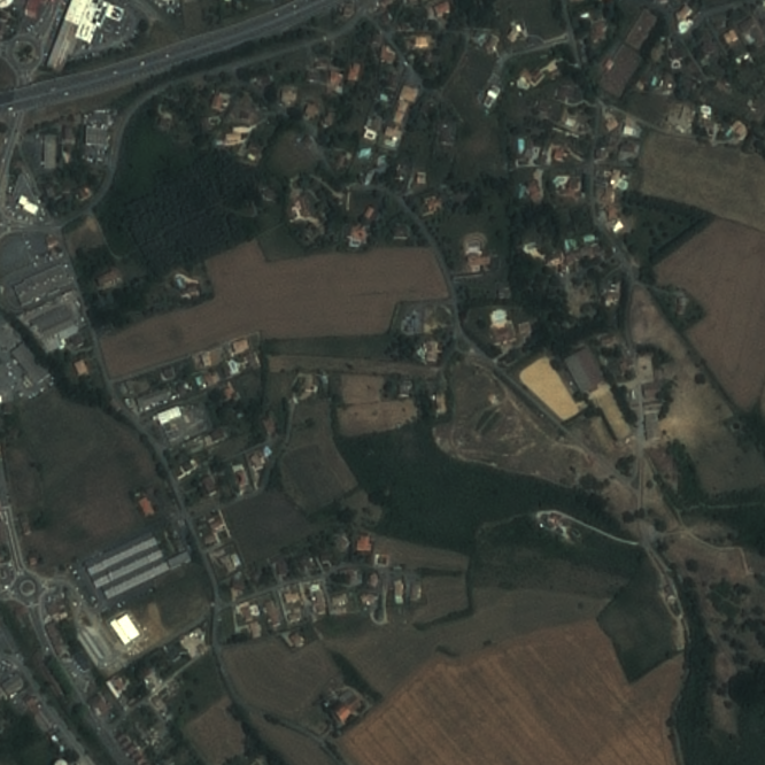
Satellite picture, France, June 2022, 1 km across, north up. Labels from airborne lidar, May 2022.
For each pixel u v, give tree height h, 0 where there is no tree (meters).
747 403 0
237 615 0
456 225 0
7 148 0
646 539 0
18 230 0
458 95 0
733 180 0
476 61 0
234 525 0
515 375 0
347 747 0
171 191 14
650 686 0
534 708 0
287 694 0
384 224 8
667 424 0
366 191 0
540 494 8
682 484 6
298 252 0
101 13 0
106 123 0
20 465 0
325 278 0
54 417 0
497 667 0
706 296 0
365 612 0
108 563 0
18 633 0
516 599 0
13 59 0
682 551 0
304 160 0
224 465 11
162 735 0
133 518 0
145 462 0
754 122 6
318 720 0
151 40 0
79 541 0
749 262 0
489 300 6
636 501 0
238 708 20
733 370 0
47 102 0
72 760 18
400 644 0
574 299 0
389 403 0
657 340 0
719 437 0
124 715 0
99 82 0
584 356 0
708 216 16
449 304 0
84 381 10
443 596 0
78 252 9
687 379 0
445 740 0
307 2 0
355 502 0
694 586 11
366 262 0
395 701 0
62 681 20
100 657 0
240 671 0
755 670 10
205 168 13
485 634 0
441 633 0
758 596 0
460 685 0
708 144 8
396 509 8
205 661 0
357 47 6
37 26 0
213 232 19
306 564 0
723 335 0
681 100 18
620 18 19
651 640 0
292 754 0
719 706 0
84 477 0
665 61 8
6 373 0
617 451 0
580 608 6
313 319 0
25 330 8
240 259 0
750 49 13
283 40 6
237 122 0
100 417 0
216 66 11
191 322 0
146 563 0
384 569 0
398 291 0
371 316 0
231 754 0
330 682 0
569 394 0
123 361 0
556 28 0
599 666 0
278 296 0
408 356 9
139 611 0
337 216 16
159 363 0
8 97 0
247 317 0
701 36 11
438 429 0
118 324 7
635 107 0
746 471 0
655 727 0
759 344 0
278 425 6
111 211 7
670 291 8
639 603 0
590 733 0
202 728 0
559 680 0
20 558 0
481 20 16
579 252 0
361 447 6
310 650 0
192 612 0
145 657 6
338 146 16
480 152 0
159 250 16
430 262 0
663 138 0
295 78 6
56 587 0
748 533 7
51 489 0
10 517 0
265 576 12
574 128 0
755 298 0
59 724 0
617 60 0
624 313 10
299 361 0
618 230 0
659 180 0
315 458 0
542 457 0
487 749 0
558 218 14
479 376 0
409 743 0
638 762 0
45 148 0
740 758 7
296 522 0
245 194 14
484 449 0
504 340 0
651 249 9
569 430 0
